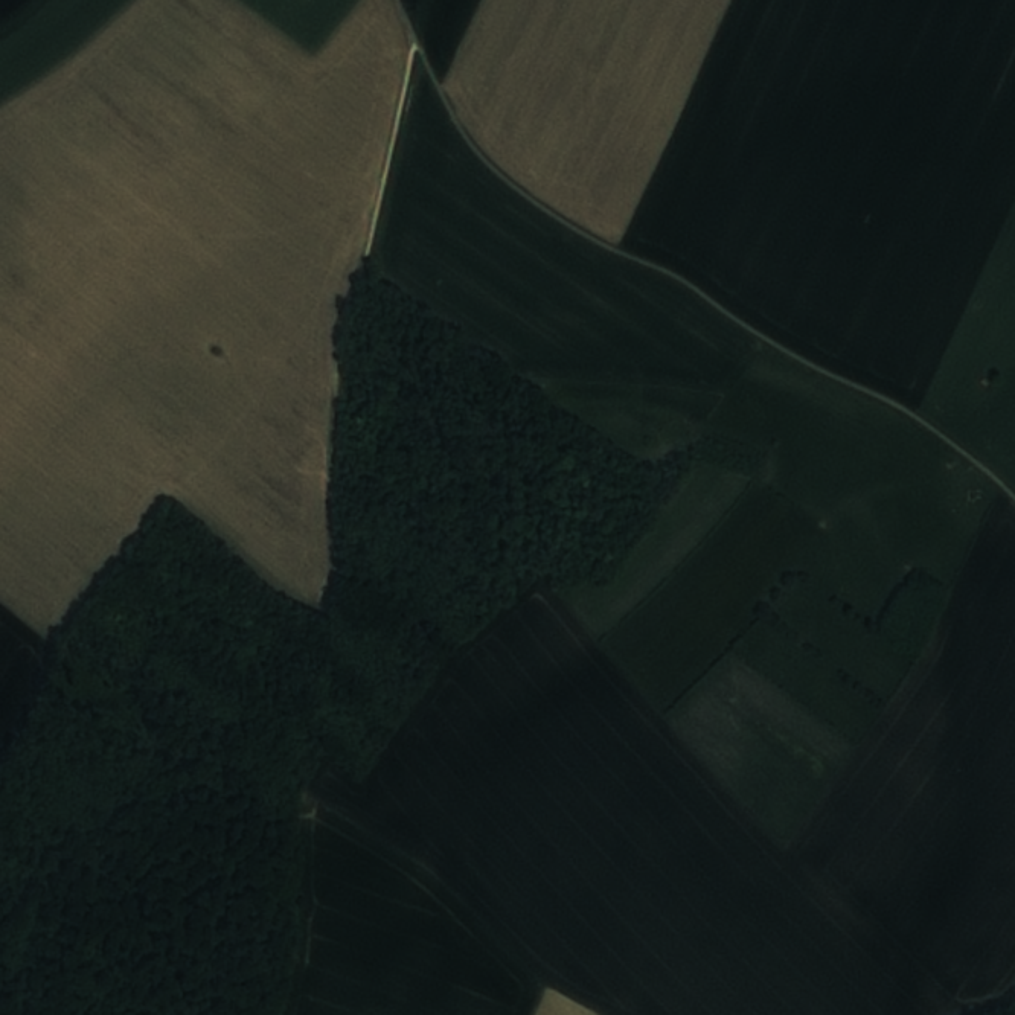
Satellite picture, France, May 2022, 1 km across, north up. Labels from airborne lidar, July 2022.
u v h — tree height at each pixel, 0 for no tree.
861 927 0
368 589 21
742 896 0
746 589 0
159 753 13
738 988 0
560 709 0
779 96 0
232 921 29
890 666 0
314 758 19
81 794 25
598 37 0
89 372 0
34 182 0
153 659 23
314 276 0
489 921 0
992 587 0
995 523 0
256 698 18
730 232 0
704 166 0
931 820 0
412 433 21
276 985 25
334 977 0
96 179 0
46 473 0
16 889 17
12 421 0
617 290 0
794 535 0
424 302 0
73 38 0
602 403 0
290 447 0
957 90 0
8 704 0
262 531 0
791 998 0
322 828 0
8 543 0
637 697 0
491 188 0
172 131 0
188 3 0
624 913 0
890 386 0
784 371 0
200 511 0
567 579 17
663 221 0
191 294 0
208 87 0
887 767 0
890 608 14
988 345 0
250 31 0
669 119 0
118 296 0
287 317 0
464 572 25
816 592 0
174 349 0
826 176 0
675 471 15
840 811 0
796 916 0
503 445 19
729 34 0
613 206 0
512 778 0
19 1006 25
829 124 0
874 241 0
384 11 0
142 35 0
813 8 0
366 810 0
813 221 0
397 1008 0
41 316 0
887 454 0
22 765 20
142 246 0
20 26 0
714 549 0
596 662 0
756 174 0
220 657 24
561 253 0
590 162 0
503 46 0
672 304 0
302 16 0
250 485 0
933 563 0
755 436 0
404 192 0
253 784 24
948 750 0
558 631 0
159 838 31
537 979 0
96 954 20
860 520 0
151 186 0
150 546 16
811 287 0
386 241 0
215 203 0
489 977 0
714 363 0
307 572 0
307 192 0
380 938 0
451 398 26
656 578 0
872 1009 0
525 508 19
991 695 0
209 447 0
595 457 17
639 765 0
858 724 0
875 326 0
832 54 0
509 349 0
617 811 0
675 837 0
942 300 0
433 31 0
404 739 0
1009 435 0
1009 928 0
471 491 29
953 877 0
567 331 0
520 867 0
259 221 0
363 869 0
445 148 0
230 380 0
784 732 0
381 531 26
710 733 0
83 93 0
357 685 26
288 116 0
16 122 0
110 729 18
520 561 9
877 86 0
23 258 0
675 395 0
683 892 0
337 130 0
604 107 0
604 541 16
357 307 21
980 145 0
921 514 0
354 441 14
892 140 0
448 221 0
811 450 0
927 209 0
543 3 0
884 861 0
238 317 0
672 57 0
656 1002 0
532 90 0
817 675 0
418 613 24
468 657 0
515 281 0
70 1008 25
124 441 0
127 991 23
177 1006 31
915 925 0
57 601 0
